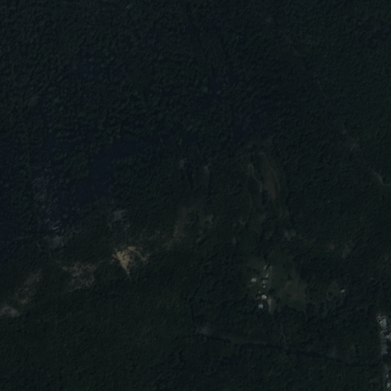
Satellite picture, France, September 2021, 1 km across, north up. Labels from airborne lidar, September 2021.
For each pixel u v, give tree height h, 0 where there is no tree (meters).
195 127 27
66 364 21
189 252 17
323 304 9
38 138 8
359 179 19
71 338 20
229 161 24
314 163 27
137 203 21
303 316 20
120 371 28
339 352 8
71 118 17
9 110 24
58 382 23
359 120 18
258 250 18
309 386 16
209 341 22
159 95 25
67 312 28
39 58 21
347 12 31
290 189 20
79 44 16
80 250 19
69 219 18
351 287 19
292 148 18
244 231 17
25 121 7
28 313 24
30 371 26
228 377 21
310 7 10
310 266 21
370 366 20
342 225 12
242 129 29
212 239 19
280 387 20
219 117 25
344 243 13
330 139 22
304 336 36
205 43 24
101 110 22
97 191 10
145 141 27
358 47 26
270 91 32
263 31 16
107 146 33
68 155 29
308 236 6
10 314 11
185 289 25
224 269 29
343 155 23
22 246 16
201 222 7
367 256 21
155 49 23
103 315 21
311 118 19
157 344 17
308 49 16
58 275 16
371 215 19
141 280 26
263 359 31
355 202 21
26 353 19
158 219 16
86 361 28
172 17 23
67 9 22
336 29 17
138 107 27
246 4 28
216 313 29
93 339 20
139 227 16
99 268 12
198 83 22
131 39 22
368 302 14
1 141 25
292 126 27
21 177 23
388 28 13
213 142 33
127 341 15
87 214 11
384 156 22
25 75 12
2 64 31
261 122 17
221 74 27
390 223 23
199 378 28
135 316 15
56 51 15
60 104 17
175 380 23
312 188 24
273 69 35
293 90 26
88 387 29
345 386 18
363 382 18
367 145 18
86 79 24
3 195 26
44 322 27
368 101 19
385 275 14
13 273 11
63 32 18
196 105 18
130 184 15
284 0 24
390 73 17
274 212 15
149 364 32
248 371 25
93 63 27
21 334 19
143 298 24
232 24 26
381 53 19
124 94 32
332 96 24
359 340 20
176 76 25
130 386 32
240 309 29
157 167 21
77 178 18
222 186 23
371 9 17
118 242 9
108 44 20
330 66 16
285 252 24
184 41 25
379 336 16
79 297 20
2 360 18
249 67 30
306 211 22
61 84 20
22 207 23
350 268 18
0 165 27
